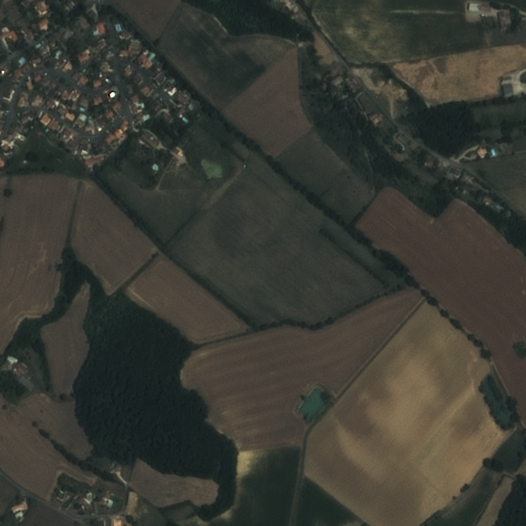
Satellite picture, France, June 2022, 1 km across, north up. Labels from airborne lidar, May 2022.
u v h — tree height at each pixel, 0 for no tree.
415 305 0
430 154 7
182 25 0
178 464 16
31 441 0
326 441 0
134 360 15
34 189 0
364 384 0
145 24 0
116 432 9
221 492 11
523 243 12
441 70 0
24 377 0
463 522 0
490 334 0
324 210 12
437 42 0
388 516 0
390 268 13
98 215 0
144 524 0
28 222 0
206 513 17
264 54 0
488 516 0
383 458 0
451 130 23
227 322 0
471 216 0
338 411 0
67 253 17
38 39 11
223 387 0
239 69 0
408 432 0
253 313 0
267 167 0
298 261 0
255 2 16
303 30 13
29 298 0
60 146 9
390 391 0
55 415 0
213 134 6
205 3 8
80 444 0
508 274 0
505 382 0
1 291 0
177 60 0
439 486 0
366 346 0
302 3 15
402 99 0
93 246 0
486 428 0
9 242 0
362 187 0
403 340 0
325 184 0
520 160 0
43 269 0
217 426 0
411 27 0
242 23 10
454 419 0
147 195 0
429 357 0
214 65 0
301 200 0
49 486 0
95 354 17
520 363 0
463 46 0
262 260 0
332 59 0
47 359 7
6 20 8
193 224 0
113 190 11
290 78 0
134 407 19
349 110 6
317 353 0
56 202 0
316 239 0
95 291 12
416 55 0
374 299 6
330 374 0
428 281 0
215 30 0
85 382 19
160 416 18
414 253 0
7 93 0
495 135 0
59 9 16
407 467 0
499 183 0
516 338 0
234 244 0
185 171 0
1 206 0
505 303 0
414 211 0
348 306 0
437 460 0
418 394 0
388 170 12
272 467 0
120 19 14
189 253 0
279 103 0
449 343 0
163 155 6
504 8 10
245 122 0
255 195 0
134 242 0
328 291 0
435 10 0
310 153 0
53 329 0
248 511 0
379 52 0
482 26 0
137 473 0
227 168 0
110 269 0
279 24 15
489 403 23
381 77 0
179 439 22
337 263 0
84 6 16
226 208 0
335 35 0
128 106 0
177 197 0
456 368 0
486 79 0
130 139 9
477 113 0
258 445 0
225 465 12
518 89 0
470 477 0
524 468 0
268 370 0
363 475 0
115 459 14
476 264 0
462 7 0
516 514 18
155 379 10
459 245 0
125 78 6
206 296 0
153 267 0
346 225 25
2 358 8
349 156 7
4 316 0
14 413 0
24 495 0
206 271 0
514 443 0
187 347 13
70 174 0
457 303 0
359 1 0
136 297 0
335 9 0
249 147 17
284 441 0
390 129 7
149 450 20
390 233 0
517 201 0
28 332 6
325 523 0
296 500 0
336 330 0
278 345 0
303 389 0
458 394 0
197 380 0
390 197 0
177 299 0
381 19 0
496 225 6
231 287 0
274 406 0
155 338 19
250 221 0
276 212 0
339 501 0
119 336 15
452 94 0
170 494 0
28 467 0
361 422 0
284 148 0
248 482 0
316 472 0
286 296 0
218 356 0
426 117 19
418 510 0
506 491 0
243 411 0
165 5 0
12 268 0
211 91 0
